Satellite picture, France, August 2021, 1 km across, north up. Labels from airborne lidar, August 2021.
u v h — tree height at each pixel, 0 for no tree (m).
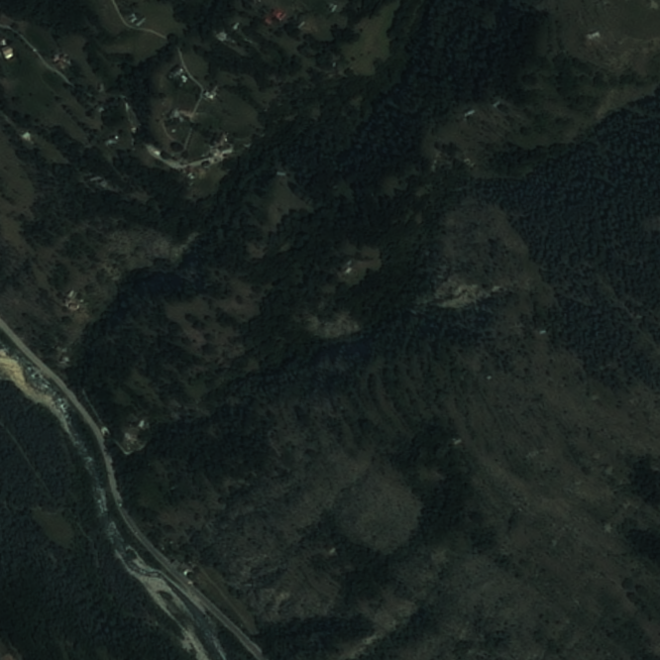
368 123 16
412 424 7
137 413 8
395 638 11
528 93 8
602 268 10
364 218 15
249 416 19
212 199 12
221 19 7
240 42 9
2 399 7
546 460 0
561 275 11
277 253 7
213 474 12
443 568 6
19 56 8
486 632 6
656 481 19
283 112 8
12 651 6
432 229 6
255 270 12
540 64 7
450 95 6
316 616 10
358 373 7
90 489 9
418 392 7
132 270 11
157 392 9
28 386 0
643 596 8
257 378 25
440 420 11
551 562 0
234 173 15
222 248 9
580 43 0
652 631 0
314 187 22
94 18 12
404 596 6
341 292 14
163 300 10
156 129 0
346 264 9
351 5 8
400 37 29
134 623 17
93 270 9
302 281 0
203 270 13
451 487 17
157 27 0
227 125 0
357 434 7
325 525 8
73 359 9
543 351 0
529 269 0
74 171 20
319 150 13
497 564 6
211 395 13
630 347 11
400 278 18
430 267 6
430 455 10
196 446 8
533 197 13
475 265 6
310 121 11
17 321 5
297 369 18
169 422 8
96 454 11
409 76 20
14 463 16
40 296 7
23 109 0
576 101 9
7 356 0
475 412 0
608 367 9
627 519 6
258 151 21
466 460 6
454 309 7
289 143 10
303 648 8
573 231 13
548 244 14
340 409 10
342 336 6
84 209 12
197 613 0
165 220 21
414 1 6
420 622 19
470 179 8
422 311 6
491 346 6
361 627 14
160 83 0
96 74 12
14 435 7
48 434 17
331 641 12
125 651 17
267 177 7
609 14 0
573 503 0
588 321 12
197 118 0
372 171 22
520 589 0
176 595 0
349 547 20
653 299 12
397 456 7
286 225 19
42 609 15
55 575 22
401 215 13
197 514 9
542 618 9
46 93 0
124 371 6
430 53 26
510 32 23
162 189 22
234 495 11
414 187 12
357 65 0
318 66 9
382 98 7
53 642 14
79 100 16
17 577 23
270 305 18
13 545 20
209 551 10
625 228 20
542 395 6
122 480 11
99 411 9
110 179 17
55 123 0
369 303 13
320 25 0
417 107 21
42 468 13
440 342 11
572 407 0
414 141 14
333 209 17
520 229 9
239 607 0
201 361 7
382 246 18
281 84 15
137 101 22
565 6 0
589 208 15
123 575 12
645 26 0
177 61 0
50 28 19
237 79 7
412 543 9
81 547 11
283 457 10
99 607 18
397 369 8
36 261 8
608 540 0
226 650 12
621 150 17
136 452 7
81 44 0
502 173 11
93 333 19
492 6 20
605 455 0
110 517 8
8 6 17
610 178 9
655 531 8
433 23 26
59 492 15
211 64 9
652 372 13
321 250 15
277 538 10
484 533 8
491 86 22
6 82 0
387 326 8
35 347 6
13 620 21
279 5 0
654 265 7
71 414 12
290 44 0
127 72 19
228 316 7
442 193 6
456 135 0
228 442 16
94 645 14
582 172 14
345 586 9
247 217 10
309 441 7
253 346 19
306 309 13
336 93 8
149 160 0
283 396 14
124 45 0
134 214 26
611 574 0
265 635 11
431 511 15
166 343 10
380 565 21
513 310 0
